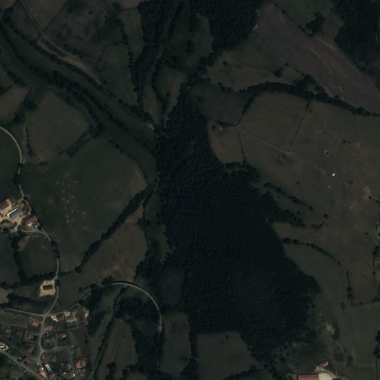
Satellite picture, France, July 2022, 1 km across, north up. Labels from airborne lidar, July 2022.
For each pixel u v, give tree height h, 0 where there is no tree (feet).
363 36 34
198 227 49
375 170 0
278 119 0
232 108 0
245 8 28
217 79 0
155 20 23
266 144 0
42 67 0
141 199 56
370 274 0
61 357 0
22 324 0
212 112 0
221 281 36
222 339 0
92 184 0
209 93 0
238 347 0
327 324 0
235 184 23
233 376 33
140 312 29
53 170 0
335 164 0
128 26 0
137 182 0
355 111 58
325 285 0
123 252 0
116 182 0
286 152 0
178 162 67
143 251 0
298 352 0
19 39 0
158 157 50
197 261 57
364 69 25
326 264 0
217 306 49
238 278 22
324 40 0
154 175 0
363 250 0
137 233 0
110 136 0
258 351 41
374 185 0
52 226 0
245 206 40
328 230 0
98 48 0
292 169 0
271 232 45
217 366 0
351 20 27
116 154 0
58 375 27
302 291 26
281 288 32
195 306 28
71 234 0
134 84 58
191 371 60
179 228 85
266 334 19
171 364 0
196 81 45
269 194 32
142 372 67
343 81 0
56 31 0
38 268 0
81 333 0
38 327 0
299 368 0
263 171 0
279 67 0
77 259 0
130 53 44
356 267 0
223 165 47
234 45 75
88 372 0
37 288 0
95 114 60
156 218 0
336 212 0
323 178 0
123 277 0
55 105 0
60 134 0
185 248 28
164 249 0
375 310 0
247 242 54
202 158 66
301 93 65
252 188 22
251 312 22
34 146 0
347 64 0
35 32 0
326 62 0
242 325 32
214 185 40
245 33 62
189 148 26
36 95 0
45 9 0
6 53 0
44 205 0
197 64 0
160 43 93
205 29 0
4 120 0
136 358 0
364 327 0
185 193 88
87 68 0
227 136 0
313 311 0
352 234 0
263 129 0
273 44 0
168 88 0
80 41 0
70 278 0
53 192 0
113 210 0
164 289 0
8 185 0
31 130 0
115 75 0
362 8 37
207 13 101
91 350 0
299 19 0
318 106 0
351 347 0
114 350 0
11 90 0
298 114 0
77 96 58
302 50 0
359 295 0
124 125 43
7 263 0
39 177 0
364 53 0
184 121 27
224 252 44
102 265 0
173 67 30
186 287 66
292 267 19
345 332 0
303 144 0
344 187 0
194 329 37
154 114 0
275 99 0
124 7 0
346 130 0
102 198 0
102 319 19
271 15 0
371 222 0
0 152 0
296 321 45
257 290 31
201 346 0
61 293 0
